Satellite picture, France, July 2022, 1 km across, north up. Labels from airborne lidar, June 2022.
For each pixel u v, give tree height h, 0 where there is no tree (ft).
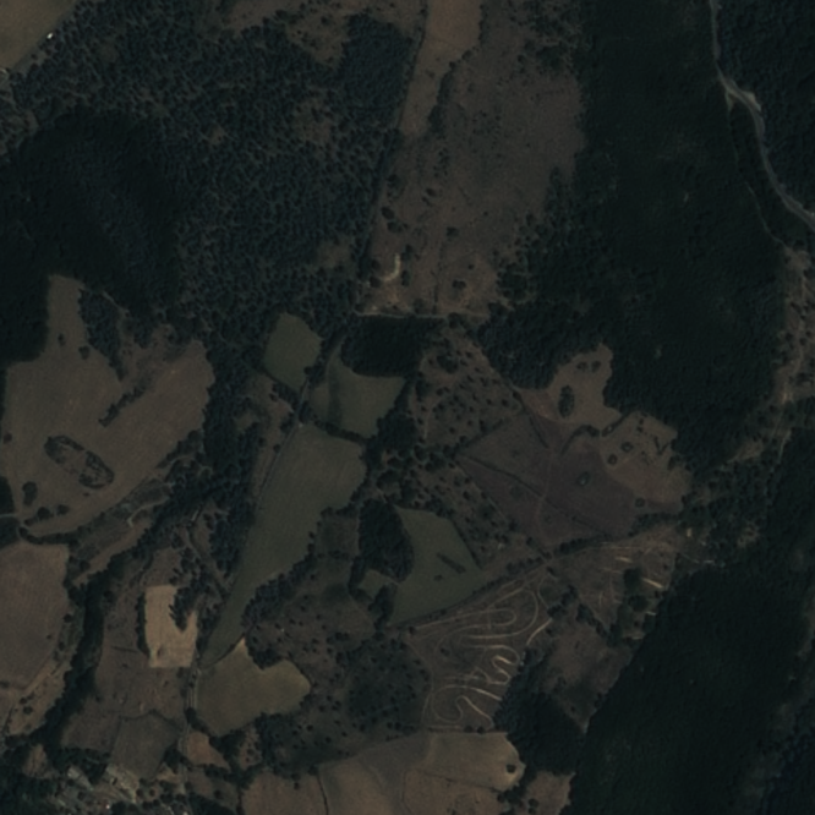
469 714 0
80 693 52
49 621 0
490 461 0
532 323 55
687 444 57
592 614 35
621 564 0
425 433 0
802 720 70
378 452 49
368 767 0
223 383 51
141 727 0
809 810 61
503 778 0
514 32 0
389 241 0
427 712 0
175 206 58
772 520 54
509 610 0
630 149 19
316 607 0
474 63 0
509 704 59
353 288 42
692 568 0
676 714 61
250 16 0
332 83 55
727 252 26
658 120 30
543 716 56
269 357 0
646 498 0
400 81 52
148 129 34
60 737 42
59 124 62
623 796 53
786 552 24
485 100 0
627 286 28
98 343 49
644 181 24
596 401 0
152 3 53
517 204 0
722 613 56
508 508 0
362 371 47
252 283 28
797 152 62
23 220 72
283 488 0
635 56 24
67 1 0
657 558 0
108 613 0
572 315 25
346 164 47
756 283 32
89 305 49
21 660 0
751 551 29
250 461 34
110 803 0
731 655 46
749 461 23
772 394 24
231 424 47
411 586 0
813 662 25
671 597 38
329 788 0
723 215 40
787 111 21
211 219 59
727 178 27
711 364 28
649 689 56
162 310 36
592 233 51
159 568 0
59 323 0
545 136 0
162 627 0
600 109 18
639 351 28
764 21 37
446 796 0
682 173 37
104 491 0
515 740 39
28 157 67
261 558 0
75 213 67
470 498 60
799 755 59
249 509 52
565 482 0
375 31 71
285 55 31
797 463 46
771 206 42
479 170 0
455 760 0
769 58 49
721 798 54
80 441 0
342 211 30
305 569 30
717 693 65
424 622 0
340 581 0
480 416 0
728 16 51
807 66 72
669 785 72
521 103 0
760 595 63
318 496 0
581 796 52
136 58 42
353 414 0
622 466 0
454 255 0
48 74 54
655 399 34
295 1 0
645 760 39
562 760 45
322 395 0
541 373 40
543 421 0
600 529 0
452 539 0
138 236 43
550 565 0
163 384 0
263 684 0
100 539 0
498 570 0
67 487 0
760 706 55
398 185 51
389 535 56
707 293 24
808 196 51
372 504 45
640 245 29
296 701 0
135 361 0
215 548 21
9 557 0
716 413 67
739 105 20
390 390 0
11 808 35
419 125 0
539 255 26
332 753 0
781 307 21
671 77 39
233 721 0
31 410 0
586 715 0
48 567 0
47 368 0
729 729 68
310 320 46
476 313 0
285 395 43
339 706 39
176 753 28
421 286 0
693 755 77
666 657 55
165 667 0
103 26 65
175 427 0
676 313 24
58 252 63
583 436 0
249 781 41
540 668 26
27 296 66
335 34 0
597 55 28
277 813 0
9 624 0
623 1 22
